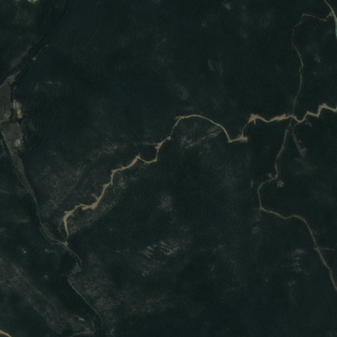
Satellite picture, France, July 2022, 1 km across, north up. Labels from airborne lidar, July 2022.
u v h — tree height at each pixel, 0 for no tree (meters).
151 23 6
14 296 5
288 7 6
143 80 7
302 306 6
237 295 7
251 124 6
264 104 6
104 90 9
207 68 6
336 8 6
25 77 7
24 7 6
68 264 10
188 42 6
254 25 7
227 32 6
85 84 10
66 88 6
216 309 7
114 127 6
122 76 9
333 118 6
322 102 7
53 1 10
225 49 6
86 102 6
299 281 6
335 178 6
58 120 8
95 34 8
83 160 6
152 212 7
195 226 9
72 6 6
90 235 7
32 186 7
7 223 7
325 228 5
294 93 6
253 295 6
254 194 7
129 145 7
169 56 5
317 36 6
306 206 6
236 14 6
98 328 6
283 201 6
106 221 8
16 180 6
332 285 5
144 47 9
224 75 7
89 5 6
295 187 6
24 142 7
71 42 6
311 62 7
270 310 6
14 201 6
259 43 7
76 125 5
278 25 6
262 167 9
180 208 5
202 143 6
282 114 6
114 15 10
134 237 9
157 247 6
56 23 9
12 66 0
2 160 7
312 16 7
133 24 6
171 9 7
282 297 6
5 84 0
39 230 7
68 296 8
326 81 10
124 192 7
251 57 7
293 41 8
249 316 7
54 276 8
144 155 7
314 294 6
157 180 9
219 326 7
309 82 8
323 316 6
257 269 6
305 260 6
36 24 7
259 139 8
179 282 8
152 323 7
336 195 6
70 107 10
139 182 9
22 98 6
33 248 5
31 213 9
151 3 7
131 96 6
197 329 7
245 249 5
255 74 7
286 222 6
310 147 6
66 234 5
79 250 7
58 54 8
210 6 9
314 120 7
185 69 6
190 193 7
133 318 8
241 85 5
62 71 11
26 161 6
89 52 7
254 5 6
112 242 7
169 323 7
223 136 5
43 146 6
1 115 0
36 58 8
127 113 6
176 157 9
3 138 7
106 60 8
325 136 5
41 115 9
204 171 6
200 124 5
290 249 6
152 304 6
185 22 6
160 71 6
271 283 7
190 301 9
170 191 5
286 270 7
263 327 6
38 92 5
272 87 6
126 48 8
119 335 12
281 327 6
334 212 8
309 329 6
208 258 7
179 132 6
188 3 6
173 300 8
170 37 7
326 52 6
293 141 8
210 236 6
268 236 6
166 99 6
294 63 6
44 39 8
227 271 7
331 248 8
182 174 8
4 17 7
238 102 6
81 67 7
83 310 9
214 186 6
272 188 7
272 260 8
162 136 8
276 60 9
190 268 9
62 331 7
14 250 6
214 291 7
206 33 6
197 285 8
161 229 10
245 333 7
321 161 7
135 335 8
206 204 6
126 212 7
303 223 5
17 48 0
